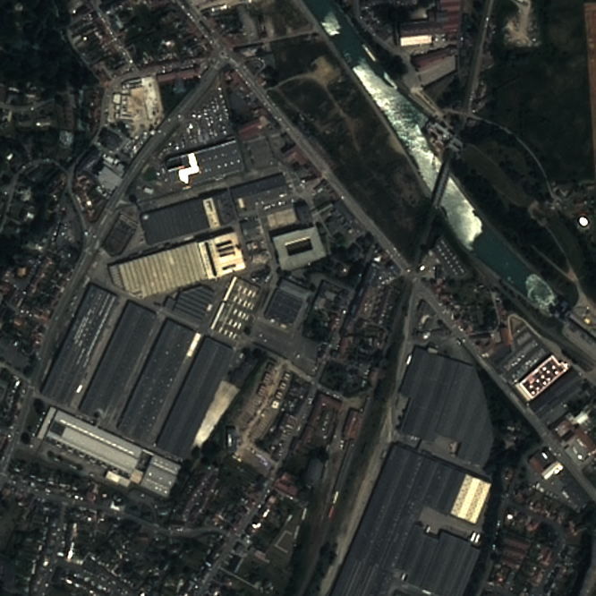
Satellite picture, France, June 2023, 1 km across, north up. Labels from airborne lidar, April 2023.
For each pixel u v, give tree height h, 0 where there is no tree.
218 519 0
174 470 0
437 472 0
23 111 0
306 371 0
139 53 11
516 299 0
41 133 14
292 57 0
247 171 0
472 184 18
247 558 0
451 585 0
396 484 0
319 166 0
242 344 0
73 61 12
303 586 0
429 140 0
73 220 0
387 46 0
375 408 0
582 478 0
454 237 0
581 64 0
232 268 0
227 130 0
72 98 0
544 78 0
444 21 0
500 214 15
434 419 0
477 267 0
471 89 0
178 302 0
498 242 0
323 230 8
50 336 0
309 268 9
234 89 0
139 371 0
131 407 0
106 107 0
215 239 0
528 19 0
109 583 0
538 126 0
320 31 0
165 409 0
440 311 0
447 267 0
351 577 0
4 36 18
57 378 0
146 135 0
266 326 0
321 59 0
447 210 0
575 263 0
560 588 0
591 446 0
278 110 0
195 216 0
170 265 0
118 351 0
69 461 0
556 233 0
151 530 0
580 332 0
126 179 0
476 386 0
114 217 0
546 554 0
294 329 0
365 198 0
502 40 0
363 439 0
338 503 0
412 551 0
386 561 0
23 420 0
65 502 0
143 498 0
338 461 0
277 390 0
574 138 0
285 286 0
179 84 0
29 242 0
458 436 0
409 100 0
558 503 0
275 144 0
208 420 0
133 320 0
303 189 0
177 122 0
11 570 0
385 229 0
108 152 0
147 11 0
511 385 0
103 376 0
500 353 0
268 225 0
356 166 0
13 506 0
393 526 0
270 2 0
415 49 0
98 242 0
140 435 0
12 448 0
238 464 0
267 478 0
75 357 0
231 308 0
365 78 0
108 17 0
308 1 0
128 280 0
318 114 0
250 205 0
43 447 0
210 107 0
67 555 0
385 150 0
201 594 0
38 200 16
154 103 0
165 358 0
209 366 0
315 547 0
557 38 0
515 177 13
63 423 0
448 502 0
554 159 0
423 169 0
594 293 0
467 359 0
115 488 0
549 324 0
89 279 0
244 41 0
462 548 0
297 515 0
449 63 0
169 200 0
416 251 0
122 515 0
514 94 0
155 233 0
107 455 0
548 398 0
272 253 0
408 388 0
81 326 0
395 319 0
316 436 0
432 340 0
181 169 0
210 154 0
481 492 0
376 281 0
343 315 0
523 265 0
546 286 0
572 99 0
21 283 0
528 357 0
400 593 0
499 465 17
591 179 0
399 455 0
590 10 0
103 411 0
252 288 0
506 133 11
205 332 0
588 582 0
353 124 0
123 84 0
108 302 0
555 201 0
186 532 0
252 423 0
